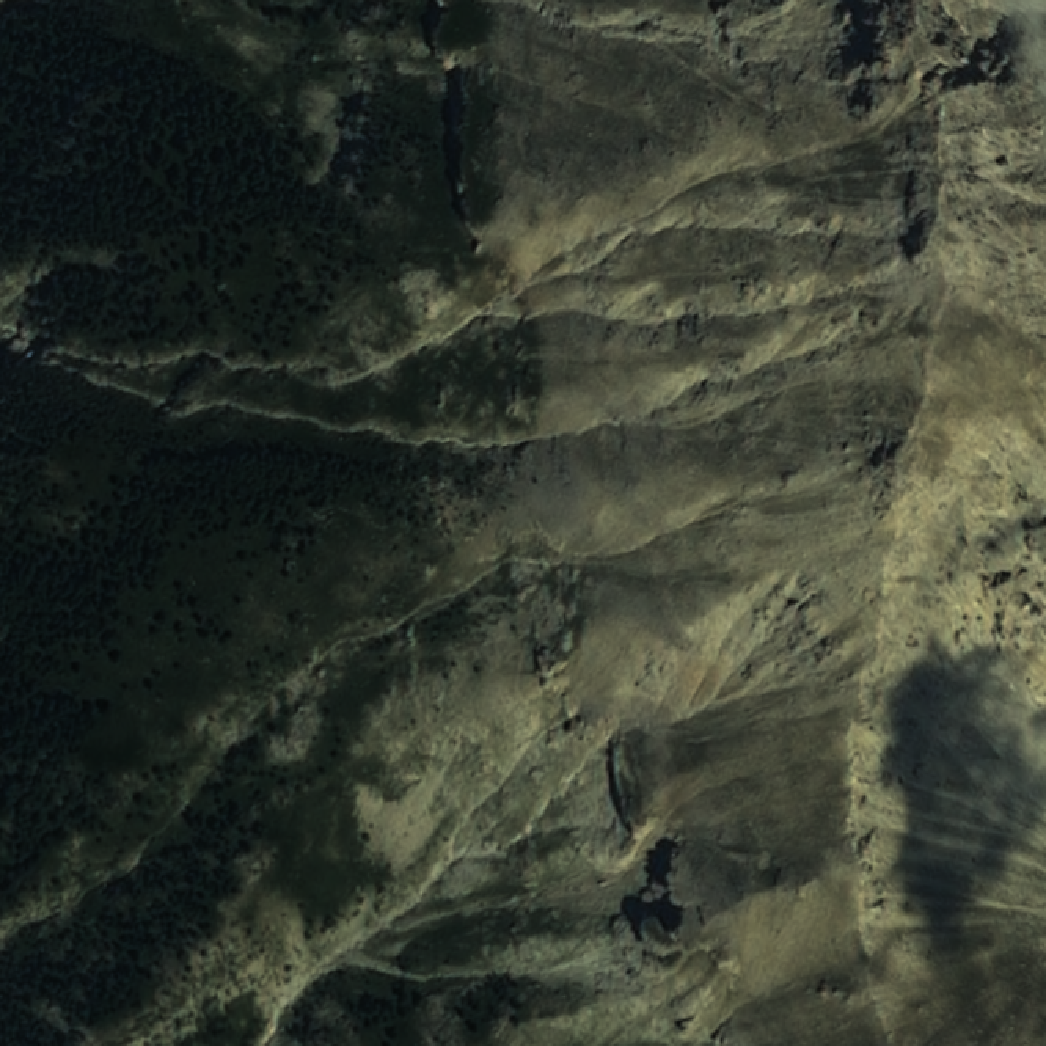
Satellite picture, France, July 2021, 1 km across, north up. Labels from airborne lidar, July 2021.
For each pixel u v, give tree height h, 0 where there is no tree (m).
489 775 0
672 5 0
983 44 0
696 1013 0
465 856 0
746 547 0
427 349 0
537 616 0
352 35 0
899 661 0
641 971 0
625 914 0
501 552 0
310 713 0
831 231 0
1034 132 0
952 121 0
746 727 0
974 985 0
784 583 0
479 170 0
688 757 0
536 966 0
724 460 0
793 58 0
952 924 0
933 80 0
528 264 0
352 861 0
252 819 0
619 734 0
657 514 0
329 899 0
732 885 0
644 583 0
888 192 0
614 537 0
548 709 0
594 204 0
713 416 0
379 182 0
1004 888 0
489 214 0
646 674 0
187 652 0
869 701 0
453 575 0
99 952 8
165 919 10
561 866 0
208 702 0
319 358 0
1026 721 0
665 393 0
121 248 7
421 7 0
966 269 0
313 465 18
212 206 22
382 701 0
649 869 0
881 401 0
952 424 0
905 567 0
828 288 0
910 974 0
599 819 0
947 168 0
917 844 0
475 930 0
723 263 0
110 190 12
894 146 0
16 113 8
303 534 10
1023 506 0
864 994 0
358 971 0
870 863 0
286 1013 0
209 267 15
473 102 0
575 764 0
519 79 0
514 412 0
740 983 0
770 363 0
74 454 0
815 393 0
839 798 0
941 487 0
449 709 0
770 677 0
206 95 11
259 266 0
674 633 0
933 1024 0
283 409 0
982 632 0
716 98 0
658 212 0
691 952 0
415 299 0
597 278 0
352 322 0
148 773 8
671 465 0
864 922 0
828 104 0
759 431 0
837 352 0
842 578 0
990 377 0
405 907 0
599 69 0
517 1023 7
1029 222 0
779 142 0
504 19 0
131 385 0
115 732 0
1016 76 0
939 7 0
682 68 0
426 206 0
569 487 0
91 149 7
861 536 0
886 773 0
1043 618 0
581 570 0
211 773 0
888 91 0
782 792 0
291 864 0
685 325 0
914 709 0
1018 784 0
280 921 0
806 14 0
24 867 14
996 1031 0
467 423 0
